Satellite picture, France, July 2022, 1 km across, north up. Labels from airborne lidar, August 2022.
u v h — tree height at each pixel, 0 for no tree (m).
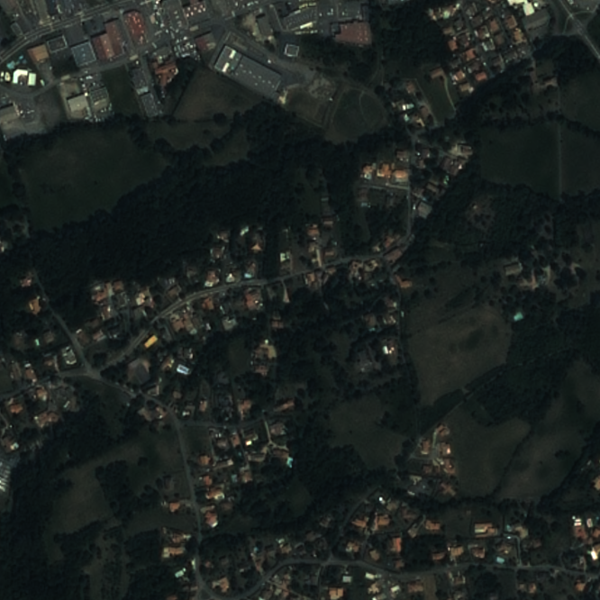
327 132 0
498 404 6
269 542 0
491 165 0
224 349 23
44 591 18
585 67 22
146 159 0
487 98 15
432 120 8
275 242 10
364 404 0
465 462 0
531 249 8
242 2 0
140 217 22
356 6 0
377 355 9
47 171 0
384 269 7
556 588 0
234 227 18
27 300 18
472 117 20
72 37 0
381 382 0
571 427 0
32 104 0
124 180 0
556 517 13
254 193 18
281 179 25
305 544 8
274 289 10
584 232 0
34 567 23
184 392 13
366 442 0
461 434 0
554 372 13
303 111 0
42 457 23
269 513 18
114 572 8
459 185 16
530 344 6
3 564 20
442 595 11
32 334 11
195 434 0
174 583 6
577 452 0
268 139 7
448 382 0
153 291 8
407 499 10
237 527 0
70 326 14
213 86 0
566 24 0
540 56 21
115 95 0
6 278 20
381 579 0
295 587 13
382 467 0
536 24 0
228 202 24
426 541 8
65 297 23
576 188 0
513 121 14
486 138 0
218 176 23
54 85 0
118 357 0
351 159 18
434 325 0
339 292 17
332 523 7
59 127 7
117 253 22
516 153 0
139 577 7
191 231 23
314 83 0
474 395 7
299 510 0
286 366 18
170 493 0
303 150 20
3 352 7
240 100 0
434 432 0
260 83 0
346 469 7
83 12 0
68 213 0
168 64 0
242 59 0
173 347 14
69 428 20
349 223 10
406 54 13
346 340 0
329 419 13
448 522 0
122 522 6
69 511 0
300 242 8
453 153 0
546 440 0
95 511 0
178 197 26
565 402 0
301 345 15
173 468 0
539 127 0
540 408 13
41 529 16
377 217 8
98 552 7
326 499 24
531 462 0
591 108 0
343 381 16
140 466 10
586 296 0
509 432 0
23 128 0
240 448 8
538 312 11
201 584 0
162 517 0
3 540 16
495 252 9
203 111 0
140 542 13
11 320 17
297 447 16
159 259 17
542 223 15
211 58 0
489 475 0
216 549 9
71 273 23
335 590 0
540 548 7
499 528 7
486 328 0
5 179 0
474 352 0
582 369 0
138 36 0
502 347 0
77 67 6
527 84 15
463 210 12
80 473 0
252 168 25
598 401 0
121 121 22
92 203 0
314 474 12
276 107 13
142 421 10
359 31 0
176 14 0
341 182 14
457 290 0
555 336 9
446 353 0
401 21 16
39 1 0
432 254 0
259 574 10
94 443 21
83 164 0
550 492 0
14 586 9
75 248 26
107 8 0
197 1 0
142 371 0
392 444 0
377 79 0
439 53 14
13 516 16
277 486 22
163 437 0
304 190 6
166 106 0
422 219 16
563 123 12
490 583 16
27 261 17
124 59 0
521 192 15
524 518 7
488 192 15
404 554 15
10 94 0
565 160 0
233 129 16
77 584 7
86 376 0
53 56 0
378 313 10
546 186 0
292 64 0
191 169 25
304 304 11
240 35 0
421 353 0
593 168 0
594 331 10
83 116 0
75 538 14
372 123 0
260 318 16
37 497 21
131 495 10
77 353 0
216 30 0
